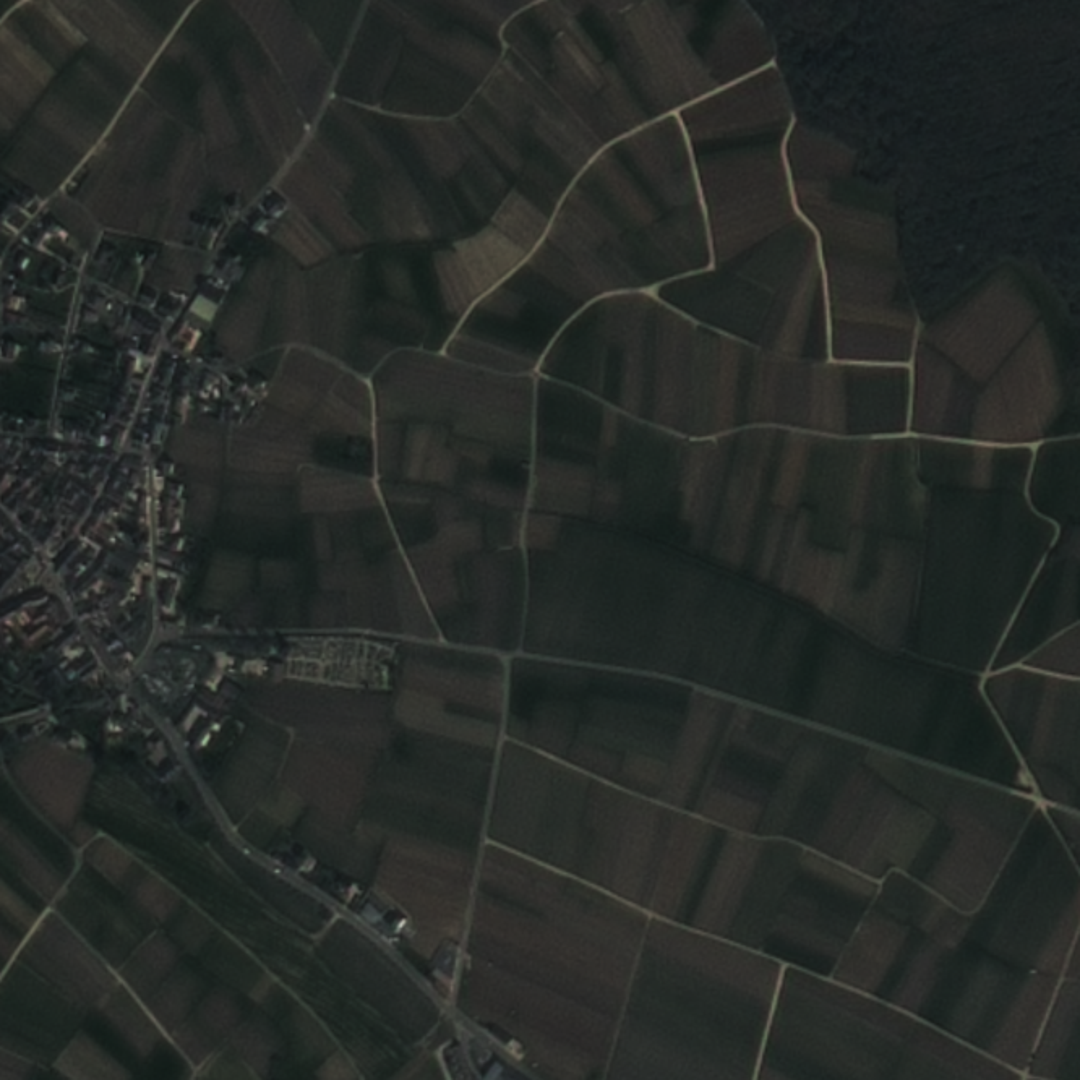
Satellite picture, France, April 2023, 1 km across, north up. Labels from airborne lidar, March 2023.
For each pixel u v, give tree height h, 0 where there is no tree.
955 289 13
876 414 0
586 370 0
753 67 0
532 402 0
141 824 0
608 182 0
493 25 0
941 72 10
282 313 0
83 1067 0
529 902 0
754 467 0
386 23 0
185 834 0
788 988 0
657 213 0
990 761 0
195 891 0
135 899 0
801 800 0
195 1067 0
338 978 0
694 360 0
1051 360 0
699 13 0
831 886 0
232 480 0
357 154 0
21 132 0
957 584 0
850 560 0
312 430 0
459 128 0
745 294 0
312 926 0
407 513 0
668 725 0
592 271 0
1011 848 0
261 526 0
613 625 0
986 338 0
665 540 0
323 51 0
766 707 0
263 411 0
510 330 0
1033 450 0
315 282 0
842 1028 0
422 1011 0
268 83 0
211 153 0
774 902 0
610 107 0
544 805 0
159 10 0
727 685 0
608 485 0
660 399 0
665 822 0
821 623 0
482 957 0
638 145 0
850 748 0
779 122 0
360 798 0
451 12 0
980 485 0
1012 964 0
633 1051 0
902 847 0
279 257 0
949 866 0
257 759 0
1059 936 0
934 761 0
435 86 0
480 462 0
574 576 0
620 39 0
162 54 0
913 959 0
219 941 0
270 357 0
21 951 0
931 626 0
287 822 0
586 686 0
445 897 0
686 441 0
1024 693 0
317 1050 0
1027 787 0
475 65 0
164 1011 0
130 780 0
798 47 14
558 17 0
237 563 0
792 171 0
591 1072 0
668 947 0
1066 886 0
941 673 0
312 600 0
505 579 0
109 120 0
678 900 0
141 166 0
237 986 0
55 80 0
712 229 0
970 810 0
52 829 0
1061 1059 0
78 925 0
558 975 0
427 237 0
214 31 0
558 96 0
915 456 0
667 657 0
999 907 0
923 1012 0
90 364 0
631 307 0
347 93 0
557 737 0
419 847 0
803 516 0
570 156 0
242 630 0
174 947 0
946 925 0
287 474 0
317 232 0
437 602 0
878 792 0
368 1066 0
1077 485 0
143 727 6
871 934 0
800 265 0
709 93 0
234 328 0
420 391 0
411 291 0
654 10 0
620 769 0
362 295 0
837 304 0
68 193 0
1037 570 0
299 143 0
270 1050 0
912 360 0
